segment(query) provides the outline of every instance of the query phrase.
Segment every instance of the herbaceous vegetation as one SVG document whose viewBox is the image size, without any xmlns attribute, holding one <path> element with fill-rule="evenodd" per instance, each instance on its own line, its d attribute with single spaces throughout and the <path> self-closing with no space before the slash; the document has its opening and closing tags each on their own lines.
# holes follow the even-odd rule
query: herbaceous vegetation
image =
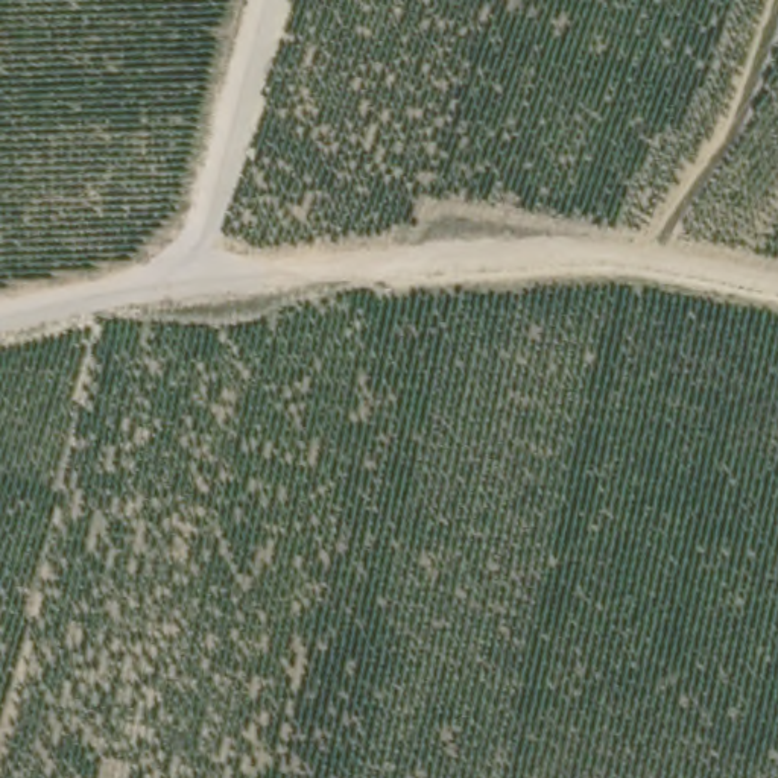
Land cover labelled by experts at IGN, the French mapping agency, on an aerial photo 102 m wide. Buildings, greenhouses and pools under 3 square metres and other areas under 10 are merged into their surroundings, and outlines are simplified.
<svg viewBox="0 0 778 778">
<path fill-rule="evenodd" d="M 450 195 L 419 198 L 413 210 L 416 222 L 392 225 L 383 234 L 398 246 L 422 246 L 432 240 L 456 237 L 596 240 L 602 234 L 599 225 L 593 225 L 590 219 L 529 213 L 514 204 L 489 204 L 468 201 L 465 195 Z"/>
<path fill-rule="evenodd" d="M 55 337 L 67 328 L 61 322 L 40 322 L 24 331 L 0 334 L 0 346 Z"/>
<path fill-rule="evenodd" d="M 267 319 L 270 328 L 280 322 L 283 307 L 301 301 L 313 304 L 331 292 L 346 289 L 343 283 L 304 283 L 298 289 L 277 292 L 188 307 L 176 301 L 125 304 L 112 316 L 210 328 Z"/>
</svg>

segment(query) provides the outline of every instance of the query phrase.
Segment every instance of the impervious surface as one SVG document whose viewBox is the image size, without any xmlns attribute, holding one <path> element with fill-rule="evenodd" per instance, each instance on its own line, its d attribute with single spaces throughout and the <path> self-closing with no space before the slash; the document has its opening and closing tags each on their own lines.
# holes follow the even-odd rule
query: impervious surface
<svg viewBox="0 0 778 778">
<path fill-rule="evenodd" d="M 146 261 L 100 264 L 91 274 L 73 274 L 64 286 L 46 280 L 15 280 L 9 289 L 0 289 L 0 334 L 24 331 L 40 322 L 61 322 L 67 328 L 85 328 L 97 313 L 112 316 L 125 304 L 176 301 L 188 307 L 277 292 L 264 274 L 252 274 L 252 264 L 261 258 L 261 249 L 255 246 L 249 255 L 228 252 L 222 222 L 237 188 L 243 161 L 255 152 L 252 137 L 264 109 L 267 70 L 289 21 L 289 0 L 246 0 L 225 79 L 210 88 L 207 146 L 188 164 L 195 170 L 188 185 L 188 213 L 182 219 L 182 228 L 173 234 L 173 243 L 167 243 L 164 249 L 158 246 L 155 255 Z"/>
</svg>

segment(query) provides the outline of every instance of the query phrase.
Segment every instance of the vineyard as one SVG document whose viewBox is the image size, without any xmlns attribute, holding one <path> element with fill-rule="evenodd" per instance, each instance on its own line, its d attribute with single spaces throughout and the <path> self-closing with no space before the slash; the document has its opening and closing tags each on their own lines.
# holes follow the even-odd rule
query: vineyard
<svg viewBox="0 0 778 778">
<path fill-rule="evenodd" d="M 97 313 L 85 328 L 67 328 L 55 337 L 0 346 L 0 778 L 778 778 L 778 304 L 732 304 L 687 289 L 666 289 L 647 280 L 550 280 L 520 289 L 444 286 L 410 289 L 401 295 L 346 289 L 331 292 L 313 304 L 301 301 L 283 307 L 280 322 L 270 328 L 267 319 L 210 328 L 112 316 Z"/>
<path fill-rule="evenodd" d="M 182 219 L 188 213 L 188 185 L 195 170 L 188 164 L 207 146 L 210 88 L 225 79 L 246 0 L 0 0 L 0 289 L 9 289 L 15 280 L 46 280 L 64 286 L 73 274 L 91 274 L 100 264 L 146 261 L 155 255 L 158 246 L 164 249 L 167 243 L 173 243 L 173 234 L 182 228 Z"/>
<path fill-rule="evenodd" d="M 316 240 L 337 243 L 349 234 L 383 234 L 392 225 L 416 222 L 413 210 L 419 198 L 450 195 L 465 195 L 468 201 L 489 204 L 514 204 L 529 213 L 590 219 L 593 225 L 599 225 L 647 225 L 653 210 L 663 204 L 666 191 L 678 182 L 681 167 L 696 158 L 699 146 L 711 137 L 717 115 L 726 109 L 732 76 L 745 64 L 745 52 L 751 46 L 757 24 L 766 33 L 735 125 L 720 152 L 711 158 L 705 173 L 690 188 L 690 195 L 669 216 L 656 243 L 669 243 L 672 231 L 684 225 L 684 234 L 690 240 L 732 246 L 778 261 L 778 0 L 289 0 L 289 21 L 267 70 L 264 109 L 252 137 L 255 152 L 243 161 L 237 188 L 222 222 L 228 252 L 249 255 L 255 246 L 261 249 L 301 246 Z"/>
</svg>

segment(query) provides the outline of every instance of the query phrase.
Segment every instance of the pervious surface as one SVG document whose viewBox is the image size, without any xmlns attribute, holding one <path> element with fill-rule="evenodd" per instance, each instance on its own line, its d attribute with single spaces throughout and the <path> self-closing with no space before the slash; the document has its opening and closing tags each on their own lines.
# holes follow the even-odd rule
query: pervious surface
<svg viewBox="0 0 778 778">
<path fill-rule="evenodd" d="M 690 195 L 690 188 L 705 173 L 711 158 L 720 152 L 735 125 L 766 33 L 757 24 L 751 46 L 745 52 L 745 64 L 732 76 L 726 109 L 717 115 L 711 137 L 699 146 L 696 158 L 681 167 L 678 182 L 666 191 L 663 204 L 653 210 L 647 225 L 599 225 L 602 234 L 596 240 L 456 237 L 432 240 L 422 246 L 398 246 L 383 234 L 349 234 L 337 243 L 316 240 L 301 246 L 261 249 L 261 258 L 252 264 L 252 274 L 264 274 L 277 292 L 298 289 L 304 283 L 343 283 L 346 289 L 401 295 L 410 289 L 444 286 L 520 289 L 550 280 L 647 280 L 666 289 L 687 289 L 732 304 L 778 304 L 778 261 L 732 246 L 690 240 L 684 234 L 684 225 L 672 231 L 669 243 L 656 243 L 669 216 Z"/>
</svg>

